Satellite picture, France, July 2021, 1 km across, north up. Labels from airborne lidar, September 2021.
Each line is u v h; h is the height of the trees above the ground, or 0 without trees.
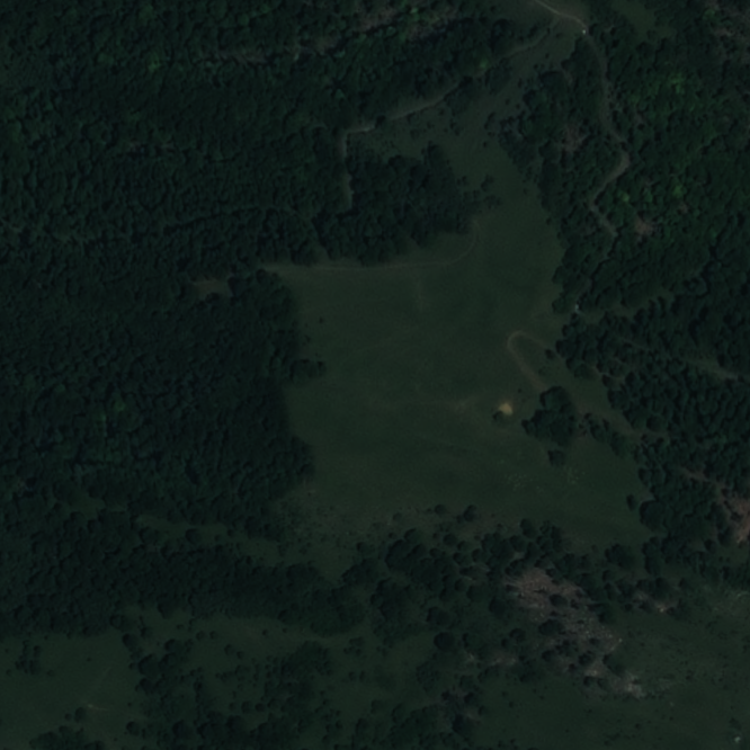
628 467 0
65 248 36
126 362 29
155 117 23
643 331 33
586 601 31
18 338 20
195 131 22
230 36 30
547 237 0
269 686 8
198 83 28
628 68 20
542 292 0
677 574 0
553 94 16
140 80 27
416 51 28
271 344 26
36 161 30
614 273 31
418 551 19
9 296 12
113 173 33
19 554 9
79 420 41
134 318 32
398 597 26
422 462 0
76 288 27
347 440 0
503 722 0
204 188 31
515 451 0
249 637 0
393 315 0
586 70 27
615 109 24
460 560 21
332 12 7
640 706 0
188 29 29
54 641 0
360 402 0
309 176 26
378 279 0
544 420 29
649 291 30
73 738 11
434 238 14
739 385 29
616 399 24
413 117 8
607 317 10
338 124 24
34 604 30
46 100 26
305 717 9
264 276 22
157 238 32
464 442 0
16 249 32
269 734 25
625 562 24
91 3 30
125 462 28
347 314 0
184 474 27
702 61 8
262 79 25
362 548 16
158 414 32
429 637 0
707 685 0
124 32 20
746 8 24
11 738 0
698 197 28
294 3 31
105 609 11
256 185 29
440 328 0
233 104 15
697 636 0
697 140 26
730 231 34
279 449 20
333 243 29
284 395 14
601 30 22
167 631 0
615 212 31
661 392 27
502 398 0
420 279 0
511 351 0
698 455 28
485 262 0
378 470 0
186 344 23
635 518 0
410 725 13
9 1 7
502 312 0
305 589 6
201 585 11
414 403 0
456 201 10
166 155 33
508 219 0
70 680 0
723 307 30
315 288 0
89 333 13
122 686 0
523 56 0
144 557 26
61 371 25
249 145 20
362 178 30
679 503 29
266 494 19
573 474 0
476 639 17
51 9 31
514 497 0
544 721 0
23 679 0
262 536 6
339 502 0
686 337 32
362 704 0
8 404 32
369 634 0
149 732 7
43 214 37
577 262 22
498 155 0
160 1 23
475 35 25
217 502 17
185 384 27
